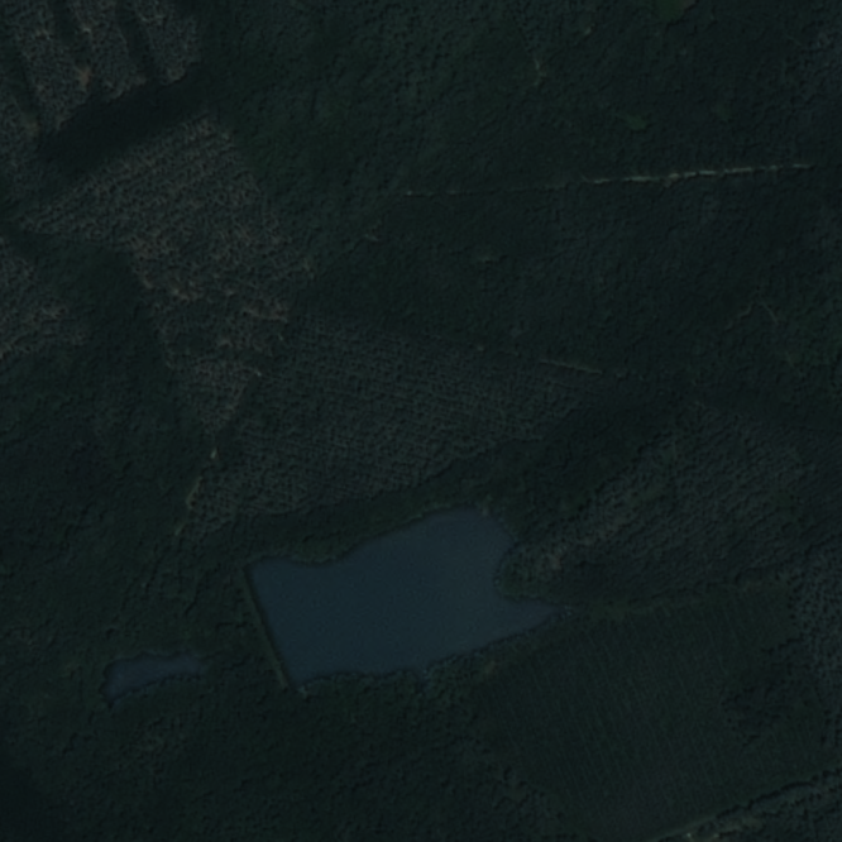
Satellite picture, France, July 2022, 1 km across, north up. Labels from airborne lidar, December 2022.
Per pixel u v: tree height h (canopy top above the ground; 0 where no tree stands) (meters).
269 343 11
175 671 0
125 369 16
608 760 6
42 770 24
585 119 9
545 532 18
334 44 13
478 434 15
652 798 8
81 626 18
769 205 13
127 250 19
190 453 19
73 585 16
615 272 13
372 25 21
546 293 18
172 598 21
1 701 20
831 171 19
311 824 19
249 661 15
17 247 15
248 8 16
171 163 17
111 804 17
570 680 7
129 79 17
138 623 17
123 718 19
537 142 12
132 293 14
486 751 25
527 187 14
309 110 6
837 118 18
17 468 24
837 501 13
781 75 10
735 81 22
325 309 12
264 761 24
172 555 18
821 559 21
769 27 22
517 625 0
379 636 0
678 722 6
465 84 9
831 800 25
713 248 18
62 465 23
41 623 11
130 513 16
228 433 12
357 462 17
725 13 19
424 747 21
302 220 21
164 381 11
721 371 14
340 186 11
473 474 17
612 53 22
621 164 14
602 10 13
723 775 7
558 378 16
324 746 23
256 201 15
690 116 17
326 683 18
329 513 21
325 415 19
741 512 14
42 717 9
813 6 18
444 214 14
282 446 15
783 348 18
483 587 0
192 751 18
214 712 19
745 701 15
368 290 11
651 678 5
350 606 0
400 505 18
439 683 16
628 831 6
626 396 18
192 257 17
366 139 11
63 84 16
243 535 20
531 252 15
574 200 15
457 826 18
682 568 15
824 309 20
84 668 20
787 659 18
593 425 22
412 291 21
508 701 8
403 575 0
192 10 11
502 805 15
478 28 22
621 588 13
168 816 17
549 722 7
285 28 21
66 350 13
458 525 0
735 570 16
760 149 18
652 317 19
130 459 15
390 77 16
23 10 17
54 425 14
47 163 14
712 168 16
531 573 19
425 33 22
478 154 14
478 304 19
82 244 19
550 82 14
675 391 18
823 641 23
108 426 19
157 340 16
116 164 18
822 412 13
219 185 18
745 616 6
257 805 18
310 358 18
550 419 18
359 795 23
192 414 23
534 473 7
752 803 0
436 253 21
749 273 23
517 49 9
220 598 18
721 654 6
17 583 17
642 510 8
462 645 0
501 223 15
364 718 22
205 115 18
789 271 14
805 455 16
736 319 16
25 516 22
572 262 19
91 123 16
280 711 25
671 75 16
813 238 17
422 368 15
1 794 20
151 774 17
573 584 16
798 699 13
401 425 18
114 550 14
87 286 13
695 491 15
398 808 21
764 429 14
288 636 0
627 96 17
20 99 13
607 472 16
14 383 13
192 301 8
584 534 19
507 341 18
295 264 17
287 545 15
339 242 11
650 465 19
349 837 25
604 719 7
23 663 12
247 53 15
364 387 19
